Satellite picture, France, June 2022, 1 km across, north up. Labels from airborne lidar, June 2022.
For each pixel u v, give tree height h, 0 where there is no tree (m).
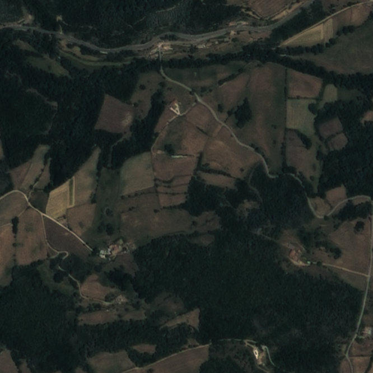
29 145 11
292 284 8
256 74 0
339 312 16
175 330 8
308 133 0
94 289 0
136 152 13
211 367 8
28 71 16
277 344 7
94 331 6
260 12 0
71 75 17
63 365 13
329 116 15
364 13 0
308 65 27
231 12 8
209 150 0
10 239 0
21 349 10
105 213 0
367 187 14
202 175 0
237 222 6
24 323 10
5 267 0
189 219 0
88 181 0
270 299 14
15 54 13
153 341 14
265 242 8
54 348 14
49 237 0
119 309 0
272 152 0
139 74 18
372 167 14
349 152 10
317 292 6
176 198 0
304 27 8
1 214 0
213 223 0
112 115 0
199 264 9
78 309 12
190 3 10
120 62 0
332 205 0
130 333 15
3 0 7
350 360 0
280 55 28
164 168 0
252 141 0
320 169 0
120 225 0
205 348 0
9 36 25
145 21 7
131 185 0
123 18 18
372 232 0
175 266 13
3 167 12
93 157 0
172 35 9
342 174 10
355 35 0
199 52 0
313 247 0
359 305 12
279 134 0
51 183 10
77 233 0
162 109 11
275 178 7
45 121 6
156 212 9
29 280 13
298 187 6
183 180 0
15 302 8
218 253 10
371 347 0
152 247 13
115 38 7
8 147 11
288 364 11
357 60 0
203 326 9
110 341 14
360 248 0
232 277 15
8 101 12
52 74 13
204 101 0
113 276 19
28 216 0
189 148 0
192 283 12
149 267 10
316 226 0
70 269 7
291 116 0
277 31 6
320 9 8
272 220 9
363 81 27
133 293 0
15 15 6
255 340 8
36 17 9
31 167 0
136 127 18
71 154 12
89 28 8
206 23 7
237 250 13
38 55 16
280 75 0
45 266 0
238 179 9
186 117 0
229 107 0
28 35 7
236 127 0
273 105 0
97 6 14
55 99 8
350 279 0
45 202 0
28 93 7
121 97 10
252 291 15
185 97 0
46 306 10
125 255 0
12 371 0
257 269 12
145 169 0
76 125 33
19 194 0
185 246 13
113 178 0
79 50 0
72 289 0
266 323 8
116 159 15
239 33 8
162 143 0
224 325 8
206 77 0
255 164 0
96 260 0
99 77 7
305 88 0
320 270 0
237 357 8
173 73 0
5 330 7
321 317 7
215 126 0
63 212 0
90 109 15
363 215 10
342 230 0
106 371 0
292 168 11
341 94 0
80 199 0
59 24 9
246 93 0
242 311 9
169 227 0
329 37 0
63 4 13
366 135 12
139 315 0
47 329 15
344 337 7
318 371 9
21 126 7
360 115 9
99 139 12
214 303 10
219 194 8
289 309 13
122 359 0
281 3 0
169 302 0
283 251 0
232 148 0
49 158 9
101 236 0
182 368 0
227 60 13
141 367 11
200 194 9
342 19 0
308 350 12
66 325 13
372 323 0
